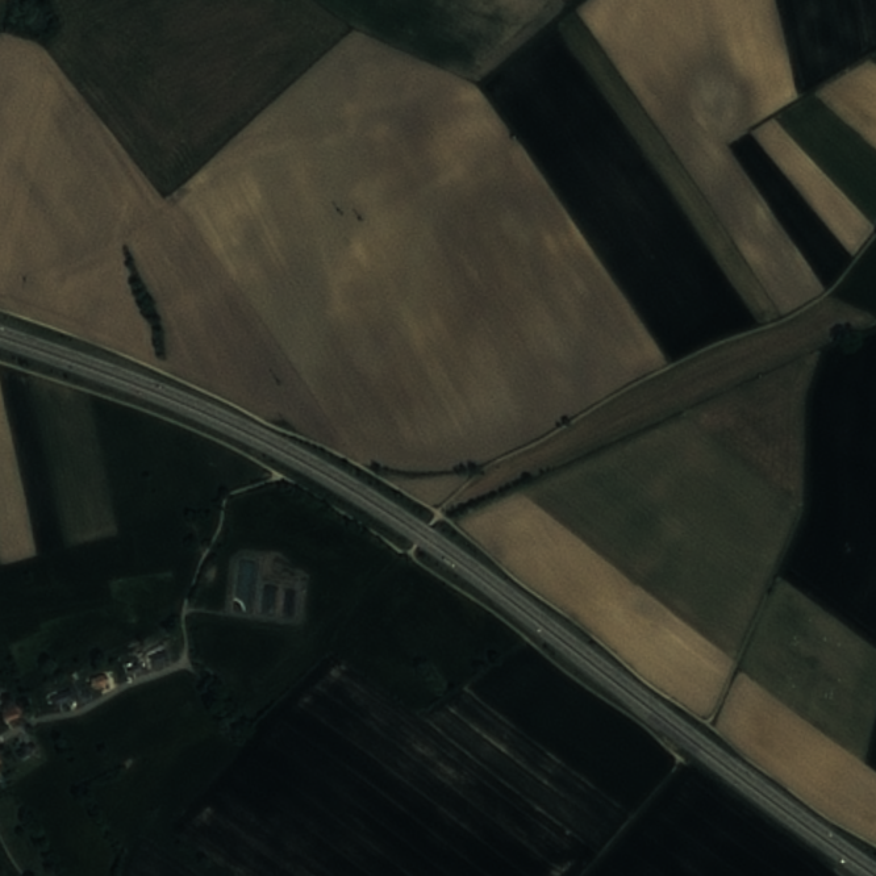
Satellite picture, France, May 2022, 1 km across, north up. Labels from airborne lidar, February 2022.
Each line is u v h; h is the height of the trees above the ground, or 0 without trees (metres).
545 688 0
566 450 0
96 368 0
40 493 0
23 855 0
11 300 0
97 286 0
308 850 0
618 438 0
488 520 0
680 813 0
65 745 15
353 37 0
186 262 0
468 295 0
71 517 0
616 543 0
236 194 0
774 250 0
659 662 0
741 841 0
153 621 0
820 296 0
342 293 0
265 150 0
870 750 0
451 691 7
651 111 0
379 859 0
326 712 0
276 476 0
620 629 0
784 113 0
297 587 0
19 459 0
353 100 0
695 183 0
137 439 0
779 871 0
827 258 0
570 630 0
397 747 0
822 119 0
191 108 0
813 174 0
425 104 0
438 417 0
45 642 0
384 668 0
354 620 0
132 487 0
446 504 0
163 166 0
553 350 0
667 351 0
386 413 0
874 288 0
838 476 0
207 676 11
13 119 0
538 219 0
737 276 0
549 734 0
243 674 0
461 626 0
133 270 10
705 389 0
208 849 0
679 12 0
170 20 0
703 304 0
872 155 0
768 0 0
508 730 0
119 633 0
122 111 0
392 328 0
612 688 0
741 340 0
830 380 0
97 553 0
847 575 0
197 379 0
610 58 0
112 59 0
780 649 0
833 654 0
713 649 0
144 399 0
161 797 0
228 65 0
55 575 0
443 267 0
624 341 0
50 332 0
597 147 0
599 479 0
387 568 0
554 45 0
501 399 0
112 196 0
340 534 0
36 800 0
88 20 0
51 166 0
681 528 0
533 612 0
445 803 0
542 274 0
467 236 0
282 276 0
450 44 0
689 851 0
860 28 0
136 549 0
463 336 0
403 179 0
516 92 0
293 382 0
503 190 0
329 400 0
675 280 0
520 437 0
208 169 0
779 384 0
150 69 0
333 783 0
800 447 0
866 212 0
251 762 0
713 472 0
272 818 0
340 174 0
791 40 0
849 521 0
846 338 22
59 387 0
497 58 0
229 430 0
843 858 0
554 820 0
